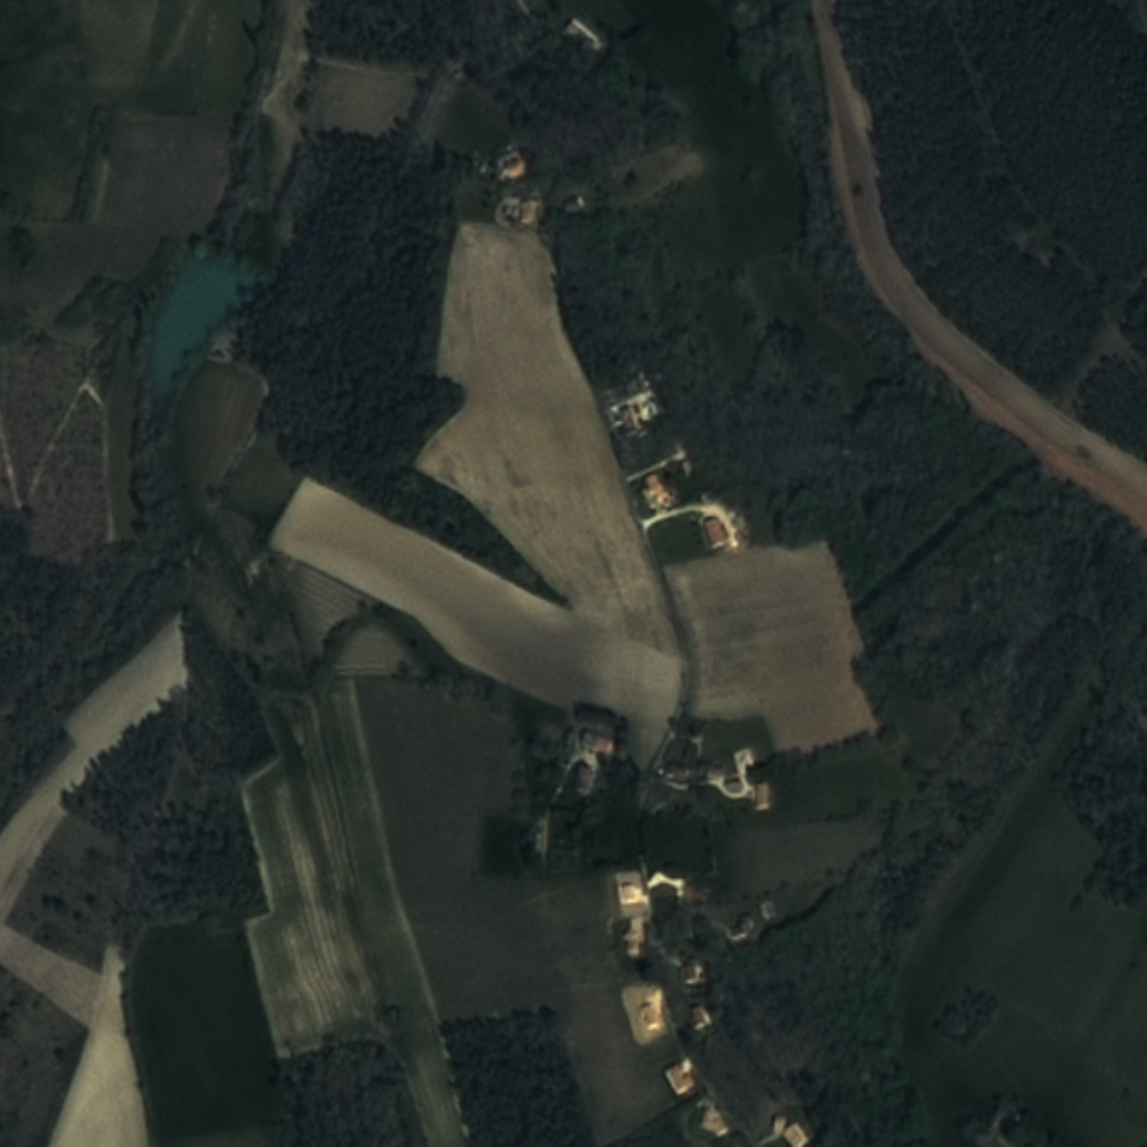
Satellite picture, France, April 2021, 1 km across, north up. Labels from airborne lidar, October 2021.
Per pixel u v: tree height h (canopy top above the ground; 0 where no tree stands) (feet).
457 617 0
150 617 59
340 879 0
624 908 0
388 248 31
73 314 31
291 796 0
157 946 0
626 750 38
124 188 0
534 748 43
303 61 0
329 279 79
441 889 0
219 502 54
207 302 0
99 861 39
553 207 30
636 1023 0
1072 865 0
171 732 20
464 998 0
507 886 0
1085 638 68
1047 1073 0
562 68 70
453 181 66
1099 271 48
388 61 38
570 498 0
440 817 0
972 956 0
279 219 52
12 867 0
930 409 65
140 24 0
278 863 0
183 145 0
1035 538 54
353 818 0
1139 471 0
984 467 49
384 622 23
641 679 0
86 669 43
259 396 0
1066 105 36
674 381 52
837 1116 74
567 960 0
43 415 17
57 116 0
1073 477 0
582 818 33
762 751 0
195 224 0
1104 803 31
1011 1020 0
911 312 0
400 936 0
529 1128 52
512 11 48
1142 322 44
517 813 36
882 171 43
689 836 0
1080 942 0
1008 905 0
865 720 0
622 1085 0
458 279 0
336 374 60
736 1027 59
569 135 61
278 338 69
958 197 48
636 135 60
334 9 58
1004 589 56
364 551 0
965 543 66
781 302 0
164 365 0
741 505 54
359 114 0
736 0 47
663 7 0
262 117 0
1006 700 53
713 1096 38
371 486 59
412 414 73
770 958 56
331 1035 0
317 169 47
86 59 0
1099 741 24
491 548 21
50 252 0
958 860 73
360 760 0
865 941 54
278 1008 0
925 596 68
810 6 51
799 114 23
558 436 0
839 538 84
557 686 0
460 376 0
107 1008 0
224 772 28
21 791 55
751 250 0
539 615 0
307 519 0
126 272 0
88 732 0
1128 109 42
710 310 0
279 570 0
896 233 50
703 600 0
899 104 49
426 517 77
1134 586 78
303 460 39
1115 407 52
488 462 0
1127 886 21
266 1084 0
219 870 58
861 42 47
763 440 60
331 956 0
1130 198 36
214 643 27
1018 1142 70
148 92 0
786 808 0
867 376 0
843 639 0
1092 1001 0
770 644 0
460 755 0
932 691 49
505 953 0
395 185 60
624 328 61
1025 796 0
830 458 73
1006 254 44
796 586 0
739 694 0
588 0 0
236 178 22
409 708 0
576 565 0
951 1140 0
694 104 0
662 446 63
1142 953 0
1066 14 45
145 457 59
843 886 20
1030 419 0
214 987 0
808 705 0
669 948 32
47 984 0
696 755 0
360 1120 76
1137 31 53
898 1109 75
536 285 0
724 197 0
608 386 64
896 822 44
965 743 40
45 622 66
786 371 63
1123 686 75
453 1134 0
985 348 34
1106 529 30
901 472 75
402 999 0
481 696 58
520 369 0
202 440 0
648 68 0
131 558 58
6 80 0
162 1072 0
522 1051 21
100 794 25
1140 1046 0
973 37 45
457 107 0
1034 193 42
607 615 0
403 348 56
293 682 0
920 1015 0
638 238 32
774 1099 55
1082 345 46
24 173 0
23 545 57
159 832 31
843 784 0
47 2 0
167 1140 0
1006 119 41
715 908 33
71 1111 0
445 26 46
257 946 0
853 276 70
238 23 0
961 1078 0
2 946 0
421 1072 0
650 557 0
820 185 27
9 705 67
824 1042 60
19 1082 0
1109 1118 0
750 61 84
